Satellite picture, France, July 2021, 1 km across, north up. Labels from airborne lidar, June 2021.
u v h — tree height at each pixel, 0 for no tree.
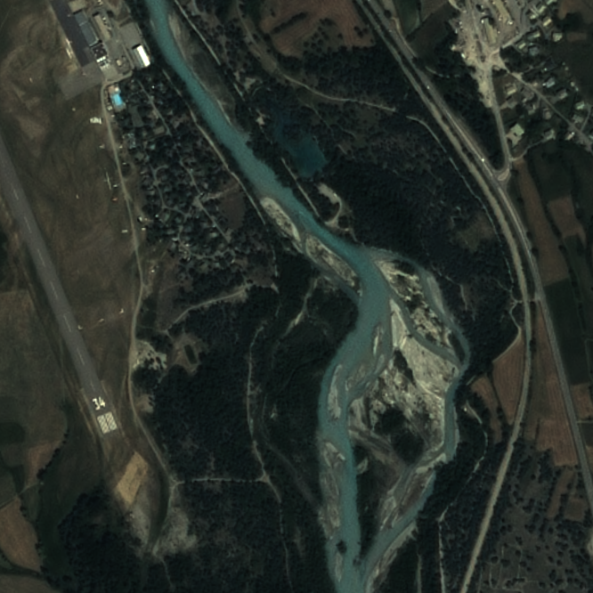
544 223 0
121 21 0
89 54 0
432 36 0
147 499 0
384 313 0
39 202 0
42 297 0
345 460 0
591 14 0
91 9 0
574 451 0
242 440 7
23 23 0
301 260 13
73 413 0
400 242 8
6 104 0
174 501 0
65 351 0
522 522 0
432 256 7
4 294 0
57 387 0
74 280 0
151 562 0
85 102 0
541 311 0
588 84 0
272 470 6
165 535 0
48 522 0
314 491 8
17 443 0
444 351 0
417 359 0
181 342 0
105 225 0
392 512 0
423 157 11
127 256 0
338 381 0
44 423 0
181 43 0
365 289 0
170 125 10
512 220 0
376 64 20
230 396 7
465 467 8
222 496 8
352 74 14
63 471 0
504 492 7
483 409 11
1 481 0
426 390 0
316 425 7
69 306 0
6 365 0
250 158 0
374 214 10
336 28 0
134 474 0
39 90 0
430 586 9
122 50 0
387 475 0
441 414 0
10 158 0
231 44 7
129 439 0
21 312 0
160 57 14
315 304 6
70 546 13
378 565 0
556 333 0
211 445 9
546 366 0
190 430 8
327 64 15
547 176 0
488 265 10
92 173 0
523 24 0
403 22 0
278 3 0
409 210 12
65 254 0
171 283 0
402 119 12
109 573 12
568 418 0
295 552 9
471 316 6
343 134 8
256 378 7
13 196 0
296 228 0
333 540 0
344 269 0
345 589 0
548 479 8
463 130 0
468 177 11
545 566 0
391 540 0
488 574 0
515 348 0
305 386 6
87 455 0
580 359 0
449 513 7
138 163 7
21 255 0
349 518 0
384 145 8
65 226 0
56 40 0
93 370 0
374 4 0
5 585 0
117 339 0
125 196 0
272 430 6
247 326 7
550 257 0
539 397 0
